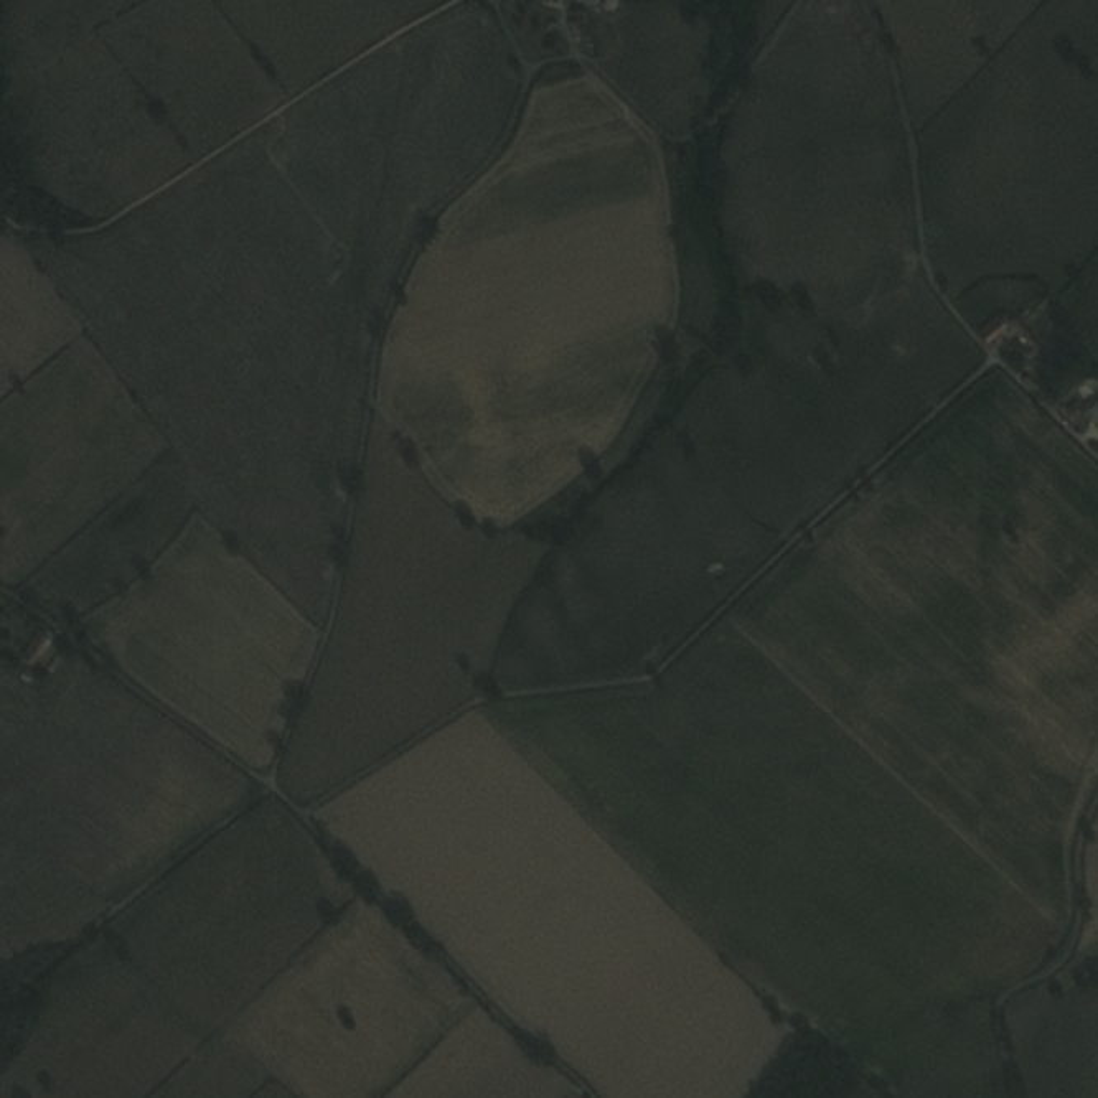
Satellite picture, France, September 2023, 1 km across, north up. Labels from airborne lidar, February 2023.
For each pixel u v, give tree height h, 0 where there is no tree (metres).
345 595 0
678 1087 0
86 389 0
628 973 0
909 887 0
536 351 0
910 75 0
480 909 0
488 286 0
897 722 0
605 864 0
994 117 0
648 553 0
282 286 0
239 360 0
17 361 0
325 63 0
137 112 0
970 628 0
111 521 0
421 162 0
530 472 0
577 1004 0
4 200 18
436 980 0
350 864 17
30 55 0
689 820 0
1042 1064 0
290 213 0
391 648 0
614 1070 0
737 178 0
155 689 0
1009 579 0
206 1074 0
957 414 0
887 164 0
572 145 0
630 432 0
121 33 0
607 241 0
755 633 0
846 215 0
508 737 0
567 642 0
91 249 0
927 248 0
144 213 0
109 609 0
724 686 0
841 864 0
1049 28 0
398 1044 0
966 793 0
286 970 0
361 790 0
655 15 0
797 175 0
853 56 0
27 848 0
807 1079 15
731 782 0
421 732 0
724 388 0
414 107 0
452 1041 0
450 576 0
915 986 0
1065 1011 0
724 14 24
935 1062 0
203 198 0
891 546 0
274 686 0
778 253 0
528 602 0
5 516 0
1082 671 0
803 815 0
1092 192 0
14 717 0
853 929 0
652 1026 0
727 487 0
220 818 0
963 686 0
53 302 0
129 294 0
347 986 0
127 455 0
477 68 0
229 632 0
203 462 0
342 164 0
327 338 0
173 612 0
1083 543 0
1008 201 0
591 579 0
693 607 0
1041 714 0
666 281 0
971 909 0
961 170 0
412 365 0
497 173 0
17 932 0
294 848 0
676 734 0
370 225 0
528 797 0
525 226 0
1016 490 0
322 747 0
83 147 0
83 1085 0
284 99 0
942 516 0
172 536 0
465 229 0
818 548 0
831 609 0
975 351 0
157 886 0
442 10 0
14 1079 0
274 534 0
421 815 0
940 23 0
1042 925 0
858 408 0
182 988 0
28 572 0
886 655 0
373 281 0
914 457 0
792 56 0
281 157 0
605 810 0
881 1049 0
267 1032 0
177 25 0
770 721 0
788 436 0
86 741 0
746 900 0
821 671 0
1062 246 0
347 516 0
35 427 0
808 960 0
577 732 0
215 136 0
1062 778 0
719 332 18
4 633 6
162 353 0
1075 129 0
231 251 0
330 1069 0
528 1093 0
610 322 0
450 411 0
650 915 0
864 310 0
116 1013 0
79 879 0
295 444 0
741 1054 0
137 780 0
